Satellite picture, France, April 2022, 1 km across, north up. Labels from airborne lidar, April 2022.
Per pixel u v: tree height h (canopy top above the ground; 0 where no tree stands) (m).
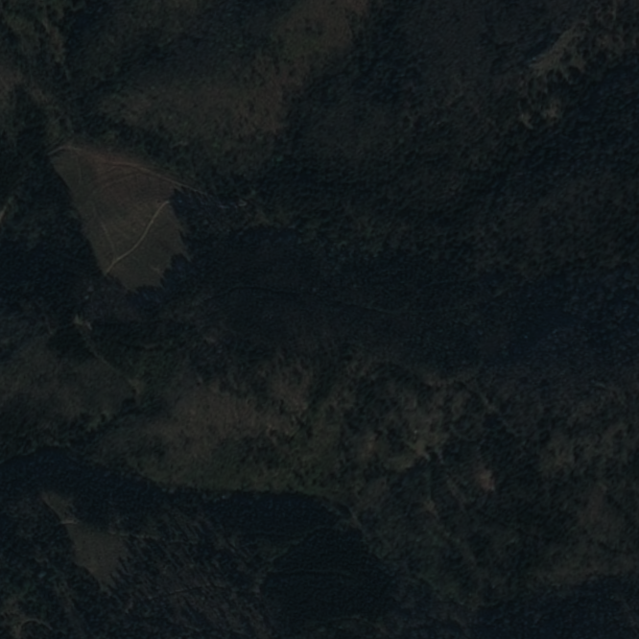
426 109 17
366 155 25
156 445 11
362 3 21
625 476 16
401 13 35
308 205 32
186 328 19
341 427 11
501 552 21
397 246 18
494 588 27
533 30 25
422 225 29
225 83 20
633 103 24
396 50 33
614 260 29
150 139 16
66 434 20
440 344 17
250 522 22
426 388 12
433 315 17
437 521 18
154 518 23
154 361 18
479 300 15
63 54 10
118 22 19
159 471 9
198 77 17
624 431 6
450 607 33
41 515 13
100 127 26
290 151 28
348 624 13
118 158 0
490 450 24
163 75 24
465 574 33
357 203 26
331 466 7
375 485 22
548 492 26
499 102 25
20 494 17
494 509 19
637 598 24
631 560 31
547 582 27
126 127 18
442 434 13
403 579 35
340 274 20
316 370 15
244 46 21
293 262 16
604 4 23
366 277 20
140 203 0
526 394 18
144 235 0
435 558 25
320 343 14
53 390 15
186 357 13
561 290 37
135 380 12
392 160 30
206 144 13
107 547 0
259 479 12
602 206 26
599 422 20
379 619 14
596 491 25
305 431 9
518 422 17
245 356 17
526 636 29
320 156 30
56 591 22
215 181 28
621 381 27
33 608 8
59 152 0
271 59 23
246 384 13
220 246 17
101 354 10
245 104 22
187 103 14
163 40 32
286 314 16
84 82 10
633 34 27
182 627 18
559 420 21
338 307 16
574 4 22
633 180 28
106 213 0
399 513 20
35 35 11
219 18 32
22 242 20
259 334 18
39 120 25
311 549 20
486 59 22
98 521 26
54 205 19
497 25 26
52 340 11
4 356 17
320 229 6
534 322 15
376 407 12
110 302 17
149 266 0
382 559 7
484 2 29
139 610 11
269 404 8
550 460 13
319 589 17
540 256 27
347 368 13
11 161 23
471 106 26
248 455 16
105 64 19
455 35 31
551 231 28
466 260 29
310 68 31
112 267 0
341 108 34
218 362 16
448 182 29
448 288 17
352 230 29
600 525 29
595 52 14
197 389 10
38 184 21
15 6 19
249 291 14
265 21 23
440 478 24
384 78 26
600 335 36
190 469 14
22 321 22
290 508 24
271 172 31
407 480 25
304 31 27
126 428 21
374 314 16
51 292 17
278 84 31
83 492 26
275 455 11
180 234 0
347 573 11
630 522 19
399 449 24
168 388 13
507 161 35
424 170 23
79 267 26
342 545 15
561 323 30
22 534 20
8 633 11
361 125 23
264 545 17
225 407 11
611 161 30
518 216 28
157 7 21
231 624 25
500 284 24
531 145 31
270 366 10
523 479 29
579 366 30
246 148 20
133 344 7
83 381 11
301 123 28
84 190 0
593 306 33
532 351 31
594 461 20
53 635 6
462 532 25
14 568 18
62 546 20
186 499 22
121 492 32
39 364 20
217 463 16
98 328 18
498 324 18
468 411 16
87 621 19
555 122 14
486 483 0
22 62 21
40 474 19
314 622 15
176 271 0
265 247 17
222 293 15
